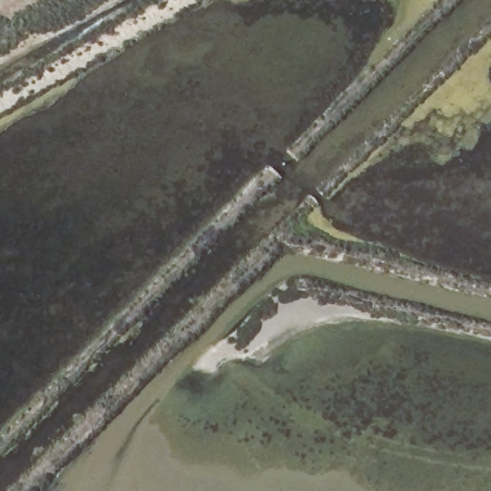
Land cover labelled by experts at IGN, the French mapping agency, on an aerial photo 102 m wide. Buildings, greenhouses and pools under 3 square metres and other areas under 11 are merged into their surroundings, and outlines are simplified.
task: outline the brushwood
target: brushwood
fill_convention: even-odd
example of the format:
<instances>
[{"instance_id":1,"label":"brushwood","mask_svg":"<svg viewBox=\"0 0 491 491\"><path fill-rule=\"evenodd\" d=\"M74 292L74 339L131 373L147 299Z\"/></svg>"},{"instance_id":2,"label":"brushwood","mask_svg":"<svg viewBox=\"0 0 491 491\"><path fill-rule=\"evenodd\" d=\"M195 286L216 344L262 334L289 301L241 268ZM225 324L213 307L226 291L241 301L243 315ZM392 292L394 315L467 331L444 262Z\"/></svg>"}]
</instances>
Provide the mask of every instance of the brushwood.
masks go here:
<instances>
[{"instance_id":1,"label":"brushwood","mask_svg":"<svg viewBox=\"0 0 491 491\"><path fill-rule=\"evenodd\" d=\"M59 59L73 54L82 44L96 42L100 36L115 35L115 29L119 25L146 12L146 8L155 0L127 0L123 4L125 10L115 19L105 21L88 35L81 38L79 36L59 44L52 54L44 58L29 61L23 56L0 65L0 96L6 90L19 92L27 84L29 77L42 77L44 69L50 63L56 63Z\"/></svg>"},{"instance_id":2,"label":"brushwood","mask_svg":"<svg viewBox=\"0 0 491 491\"><path fill-rule=\"evenodd\" d=\"M13 13L13 17L6 17L0 13L0 56L17 48L17 44L27 36L56 31L75 19L81 19L84 13L90 12L100 0L21 0L25 4L25 10Z\"/></svg>"},{"instance_id":3,"label":"brushwood","mask_svg":"<svg viewBox=\"0 0 491 491\"><path fill-rule=\"evenodd\" d=\"M449 81L456 71L460 71L460 67L470 56L478 54L487 44L491 46L491 33L479 25L478 31L474 31L468 38L462 38L456 44L455 52L441 63L439 71L432 73L430 79L418 90L414 90L403 104L395 107L393 113L380 125L380 129L368 132L364 142L353 148L353 152L343 159L341 165L332 169L326 180L320 180L316 184L320 196L334 198L349 180L357 178L368 167L382 161L387 153L399 152L409 144L424 144L435 163L447 163L462 150L472 150L478 144L479 130L491 121L491 105L476 107L472 111L462 109L451 115L445 115L441 109L430 109L424 119L416 121L412 127L405 127L405 119L409 119L418 109L418 105L424 104L433 96L441 84Z\"/></svg>"},{"instance_id":4,"label":"brushwood","mask_svg":"<svg viewBox=\"0 0 491 491\"><path fill-rule=\"evenodd\" d=\"M263 299L259 301L259 305L247 307L242 311L236 322L222 332L224 341L236 345L236 349L245 349L261 332L263 320L278 313L278 307L272 303L272 299Z\"/></svg>"},{"instance_id":5,"label":"brushwood","mask_svg":"<svg viewBox=\"0 0 491 491\"><path fill-rule=\"evenodd\" d=\"M234 301L238 301L251 286L263 280L284 255L295 255L303 249L303 255L309 255L311 259L343 263L345 267L353 269L382 272L384 276L405 278L409 282L430 282L430 286L437 286L449 292L474 295L479 299L491 297L491 288L485 284L468 282L464 278L456 278L453 274L432 274L424 270L426 263L416 261L407 253L380 242L362 240L357 236L355 242L345 242L316 228L313 222L309 221L309 215L320 209L318 201L313 196L303 199L295 211L292 211L276 228L270 230L267 238L257 242L247 257L242 257L228 270L226 276L222 276L217 286L211 288L211 292L199 297L198 305L192 311L188 311L184 318L180 318L175 326L155 343L155 347L130 368L127 376L123 376L115 386L105 389L102 397L96 399L96 405L92 409L86 410L84 414L75 414L73 428L54 445L50 445L44 458L38 460L38 464L29 472L25 472L21 478L15 479L12 485L8 485L6 491L50 491L54 479L61 481L65 478L67 468L82 453L90 451L98 437L113 424L113 420L117 420L125 412L130 403L175 361L178 355L188 351L194 343L198 343L199 339L215 326L222 313L226 313L228 307Z\"/></svg>"},{"instance_id":6,"label":"brushwood","mask_svg":"<svg viewBox=\"0 0 491 491\"><path fill-rule=\"evenodd\" d=\"M31 92L27 98L21 98L12 107L0 111L0 121L6 119L6 115L13 115L15 111L19 111L19 107L33 104L36 98L46 96L46 92L50 92L56 86L69 84L71 88L84 79L88 71L104 65L113 58L117 48L98 54L84 67L71 71L63 79Z\"/></svg>"},{"instance_id":7,"label":"brushwood","mask_svg":"<svg viewBox=\"0 0 491 491\"><path fill-rule=\"evenodd\" d=\"M63 391L71 384L71 378L75 378L81 370L92 372L96 368L100 359L98 355L104 347L121 345L127 339L140 334L144 316L140 313L144 311L144 307L153 297L159 297L167 286L171 286L171 282L175 282L180 272L188 267L188 263L192 263L201 255L201 249L205 245L217 240L221 228L226 228L236 221L244 205L253 199L255 190L263 190L267 184L274 182L278 178L278 173L272 167L265 167L245 184L236 194L236 198L228 201L217 211L215 217L211 217L211 221L201 222L198 230L190 234L190 238L180 247L175 257L163 263L155 272L155 276L150 278L150 282L130 297L129 303L121 311L109 316L107 324L102 326L102 330L90 343L84 345L81 353L75 355L67 366L59 368L50 384L36 391L33 401L17 409L12 418L0 428L0 456L12 453L17 447L17 435L29 437L40 420L52 414L52 410L58 407L59 391Z\"/></svg>"},{"instance_id":8,"label":"brushwood","mask_svg":"<svg viewBox=\"0 0 491 491\"><path fill-rule=\"evenodd\" d=\"M397 326L410 330L424 328L435 330L439 334L453 334L481 341L491 339L491 315L458 313L416 299L362 290L357 286L341 284L336 280L307 272L292 274L288 278L286 290L272 288L274 295L280 297L284 303L311 297L320 305L345 305L370 316L399 318Z\"/></svg>"},{"instance_id":9,"label":"brushwood","mask_svg":"<svg viewBox=\"0 0 491 491\"><path fill-rule=\"evenodd\" d=\"M432 8L414 25L410 25L405 17L401 21L395 17L393 25L382 35L370 58L366 59L361 73L355 77L355 81L339 92L332 100L332 104L328 105L324 113L316 119L315 125L305 130L293 142L292 148L288 148L288 155L295 161L299 159L299 153L305 152L315 142L316 136L322 130L336 123L339 115L343 115L347 107L353 105L362 92L368 90L368 86L382 75L387 65L391 65L399 58L405 48L412 46L416 38L424 35L424 31L430 29L443 13L453 8L451 0L430 0Z\"/></svg>"}]
</instances>

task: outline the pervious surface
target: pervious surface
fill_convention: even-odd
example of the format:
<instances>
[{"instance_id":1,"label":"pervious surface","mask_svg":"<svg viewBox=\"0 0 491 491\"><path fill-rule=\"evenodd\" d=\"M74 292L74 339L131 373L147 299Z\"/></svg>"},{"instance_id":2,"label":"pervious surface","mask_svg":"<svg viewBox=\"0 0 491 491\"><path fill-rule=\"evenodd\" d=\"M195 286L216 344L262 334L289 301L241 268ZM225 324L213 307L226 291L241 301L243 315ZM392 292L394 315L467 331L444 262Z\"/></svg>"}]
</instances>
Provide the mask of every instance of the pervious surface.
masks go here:
<instances>
[{"instance_id":1,"label":"pervious surface","mask_svg":"<svg viewBox=\"0 0 491 491\"><path fill-rule=\"evenodd\" d=\"M357 236L334 228L322 217L320 209L309 215L309 221L313 222L316 228L345 242L355 242Z\"/></svg>"},{"instance_id":2,"label":"pervious surface","mask_svg":"<svg viewBox=\"0 0 491 491\"><path fill-rule=\"evenodd\" d=\"M397 326L399 318L370 316L345 305L320 305L311 297L284 303L280 297L274 295L272 299L272 303L278 307L278 313L263 320L261 332L245 349L236 349L236 345L224 341L209 347L196 362L196 370L217 372L219 364L234 359L269 361L272 349L282 345L286 339L293 338L297 332L318 324L338 324L341 320L355 318Z\"/></svg>"},{"instance_id":3,"label":"pervious surface","mask_svg":"<svg viewBox=\"0 0 491 491\"><path fill-rule=\"evenodd\" d=\"M84 13L81 19L75 19L56 31L27 36L17 44L17 48L0 56L0 65L23 56L29 50L56 36L73 31L77 25L84 25L79 36L81 38L88 35L105 21L115 19L125 10L123 4L127 0L100 0L90 12Z\"/></svg>"},{"instance_id":4,"label":"pervious surface","mask_svg":"<svg viewBox=\"0 0 491 491\"><path fill-rule=\"evenodd\" d=\"M13 17L13 13L25 10L25 4L21 0L0 0L0 13L6 17Z\"/></svg>"},{"instance_id":5,"label":"pervious surface","mask_svg":"<svg viewBox=\"0 0 491 491\"><path fill-rule=\"evenodd\" d=\"M456 71L449 81L441 84L433 96L424 104L418 105L418 109L409 119L405 119L405 127L412 127L416 121L424 119L430 109L441 109L445 115L451 115L462 109L472 111L476 107L491 105L491 46L487 44L478 54L470 56L460 67L460 71Z\"/></svg>"},{"instance_id":6,"label":"pervious surface","mask_svg":"<svg viewBox=\"0 0 491 491\"><path fill-rule=\"evenodd\" d=\"M173 19L182 8L188 8L186 0L155 0L146 8L146 12L119 25L115 29L115 35L100 36L96 42L82 44L73 54L59 59L56 63L50 63L44 69L42 77L29 77L27 84L19 92L6 90L0 96L0 111L12 107L21 98L27 98L31 92L63 79L71 71L84 67L98 54L117 48L123 46L125 40L134 38L144 31L150 31L153 25Z\"/></svg>"}]
</instances>

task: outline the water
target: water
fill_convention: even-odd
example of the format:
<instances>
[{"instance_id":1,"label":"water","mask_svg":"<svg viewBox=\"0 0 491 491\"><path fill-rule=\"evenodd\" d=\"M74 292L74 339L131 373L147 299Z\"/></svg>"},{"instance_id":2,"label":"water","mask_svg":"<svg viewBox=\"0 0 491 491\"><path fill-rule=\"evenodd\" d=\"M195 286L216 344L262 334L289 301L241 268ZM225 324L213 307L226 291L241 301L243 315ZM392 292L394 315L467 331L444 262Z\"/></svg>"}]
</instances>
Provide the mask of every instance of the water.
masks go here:
<instances>
[{"instance_id":1,"label":"water","mask_svg":"<svg viewBox=\"0 0 491 491\"><path fill-rule=\"evenodd\" d=\"M472 150L462 150L447 163L435 163L424 144L409 144L399 152L387 153L382 161L368 167L357 178L349 180L334 198L320 196L316 184L320 180L326 180L332 169L341 165L343 159L353 152L353 148L364 142L368 132L380 129L380 125L393 113L395 107L403 104L414 90L418 90L430 79L432 73L439 71L441 63L455 52L456 44L462 38L468 38L474 31L478 31L479 25L491 33L491 0L451 0L453 8L443 13L430 29L424 31L424 35L416 38L412 46L405 48L399 58L391 65L387 65L382 75L368 86L368 90L362 92L353 105L347 107L343 115L339 115L336 123L322 130L316 136L315 142L305 152L299 153L299 159L295 161L288 155L288 148L292 148L293 142L305 130L315 125L316 119L324 113L328 105L332 104L332 100L339 92L355 81L355 77L361 73L366 59L370 58L382 35L393 25L395 17L393 4L397 0L186 0L188 8L182 8L173 19L153 25L150 31L144 31L134 38L125 40L123 46L117 48L113 58L104 65L88 71L84 79L71 88L65 94L61 94L54 104L42 105L33 113L23 115L6 129L0 130L0 428L12 418L17 409L33 401L36 391L50 384L59 368L67 366L75 355L81 353L84 345L90 343L102 330L102 326L107 324L109 316L121 311L129 303L130 297L150 282L150 278L155 276L155 272L163 263L175 257L180 247L190 238L190 234L198 230L201 222L211 221L211 217L215 217L217 211L228 201L236 198L236 194L245 184L265 167L272 167L278 173L278 178L274 182L267 184L263 190L255 190L253 199L244 205L236 221L226 228L221 228L217 240L205 245L201 249L201 255L192 263L188 263L188 267L180 272L175 282L171 282L171 286L167 286L159 297L153 297L144 307L144 311L140 313L144 316L140 334L127 339L121 345L104 347L98 355L100 359L96 368L92 372L81 370L75 378L71 378L71 384L63 391L59 391L58 407L52 410L52 414L40 420L29 437L17 435L17 447L12 453L0 456L0 491L6 491L8 485L12 485L15 479L21 478L25 472L29 472L38 464L38 460L44 458L50 445L54 445L73 428L75 414L84 414L86 410L92 409L96 405L96 399L102 397L105 389L115 386L123 376L127 376L130 368L155 347L155 343L175 326L180 318L184 318L188 311L192 311L198 305L199 297L211 292L211 288L217 286L222 276L226 276L228 270L242 257L247 257L257 242L267 238L270 230L276 228L292 211L295 211L303 199L313 196L318 201L320 209L322 217L334 228L357 236L362 240L380 242L407 253L416 261L426 263L424 270L432 274L453 274L456 278L464 278L468 282L485 284L491 288L491 121L479 130L478 144Z\"/></svg>"},{"instance_id":2,"label":"water","mask_svg":"<svg viewBox=\"0 0 491 491\"><path fill-rule=\"evenodd\" d=\"M29 50L23 56L29 61L44 58L52 54L59 44L79 36L84 25L77 25L73 31L56 36Z\"/></svg>"},{"instance_id":3,"label":"water","mask_svg":"<svg viewBox=\"0 0 491 491\"><path fill-rule=\"evenodd\" d=\"M288 278L292 274L307 272L336 280L341 284L357 286L362 290L416 299L458 313L491 315L491 297L479 299L474 295L449 292L437 286L430 286L430 282L409 282L405 278L384 276L382 272L353 269L345 267L343 263L311 259L309 255L303 255L303 249L295 255L284 255L263 280L251 286L238 301L234 301L228 307L226 313L222 313L215 326L199 339L198 343L194 343L188 351L178 355L175 361L130 403L125 412L117 420L113 420L113 424L98 437L90 451L82 453L67 468L65 478L61 481L54 479L50 491L491 491L491 339L481 341L453 334L439 334L435 330L424 328L410 330L397 326L355 318L341 320L338 324L318 324L297 332L293 338L286 339L282 345L272 349L269 361L234 359L219 364L217 372L196 370L196 362L209 347L224 341L222 332L236 322L242 311L247 307L259 305L259 301L263 299L272 299L274 295L272 288L286 290Z\"/></svg>"}]
</instances>

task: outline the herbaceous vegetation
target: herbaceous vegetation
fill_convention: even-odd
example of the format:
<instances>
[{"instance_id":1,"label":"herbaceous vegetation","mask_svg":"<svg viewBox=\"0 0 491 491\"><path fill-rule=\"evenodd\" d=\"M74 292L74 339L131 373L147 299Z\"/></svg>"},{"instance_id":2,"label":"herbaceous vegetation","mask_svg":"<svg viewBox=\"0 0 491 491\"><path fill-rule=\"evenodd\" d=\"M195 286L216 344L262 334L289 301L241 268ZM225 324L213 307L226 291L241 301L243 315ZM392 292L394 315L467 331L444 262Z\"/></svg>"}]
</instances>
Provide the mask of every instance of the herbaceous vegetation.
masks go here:
<instances>
[{"instance_id":1,"label":"herbaceous vegetation","mask_svg":"<svg viewBox=\"0 0 491 491\"><path fill-rule=\"evenodd\" d=\"M23 115L33 113L42 105L54 104L61 94L65 94L71 88L69 84L56 86L50 92L46 92L46 96L36 98L33 104L19 107L19 111L15 111L13 115L6 115L6 119L0 121L0 130L6 129Z\"/></svg>"},{"instance_id":2,"label":"herbaceous vegetation","mask_svg":"<svg viewBox=\"0 0 491 491\"><path fill-rule=\"evenodd\" d=\"M397 0L393 4L395 17L401 21L405 17L410 25L414 25L432 8L430 0Z\"/></svg>"}]
</instances>

